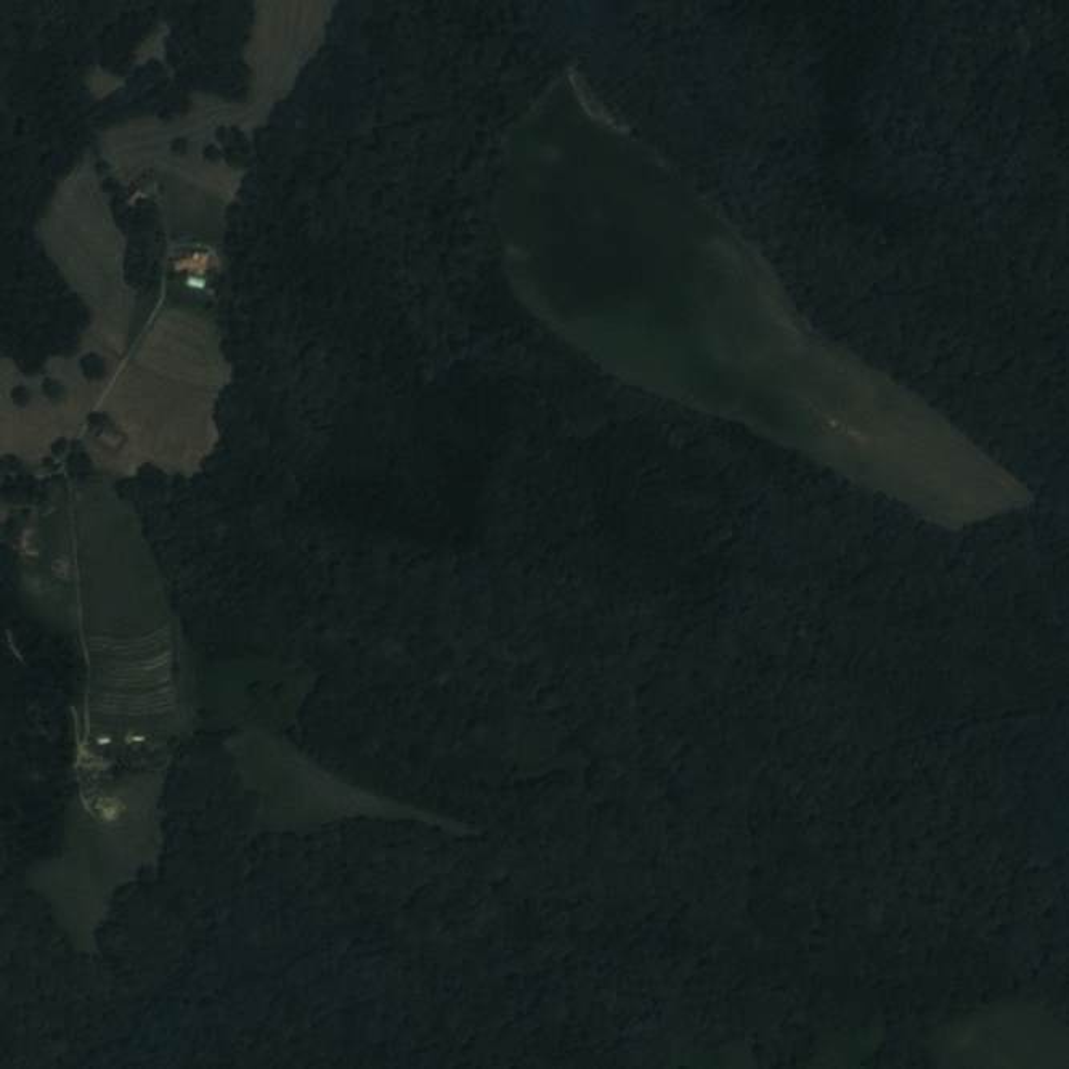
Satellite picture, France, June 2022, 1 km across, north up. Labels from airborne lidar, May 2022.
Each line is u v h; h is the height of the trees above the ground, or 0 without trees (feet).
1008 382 52
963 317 85
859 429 0
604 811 61
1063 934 80
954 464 0
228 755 27
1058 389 65
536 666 76
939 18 65
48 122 75
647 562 42
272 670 0
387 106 100
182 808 86
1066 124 43
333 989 81
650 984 85
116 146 0
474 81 83
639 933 80
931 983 45
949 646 21
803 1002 65
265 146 50
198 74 72
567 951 81
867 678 22
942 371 61
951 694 24
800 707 52
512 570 72
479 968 90
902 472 0
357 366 39
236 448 83
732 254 0
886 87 67
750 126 95
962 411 51
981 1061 0
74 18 93
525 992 32
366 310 58
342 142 94
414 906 66
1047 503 40
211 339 0
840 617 19
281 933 97
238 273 27
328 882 73
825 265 83
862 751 38
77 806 0
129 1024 50
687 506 53
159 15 52
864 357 35
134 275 53
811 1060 25
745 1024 63
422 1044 62
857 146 56
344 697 73
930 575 74
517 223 0
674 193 0
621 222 0
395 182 84
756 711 72
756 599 79
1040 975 76
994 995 40
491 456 67
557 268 0
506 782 46
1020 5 65
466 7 45
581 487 52
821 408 0
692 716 84
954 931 80
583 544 51
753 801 77
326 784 0
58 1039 81
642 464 60
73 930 0
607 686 92
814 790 58
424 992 77
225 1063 56
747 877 76
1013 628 29
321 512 49
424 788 68
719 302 0
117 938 86
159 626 0
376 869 76
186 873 98
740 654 64
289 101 37
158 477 64
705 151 66
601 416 78
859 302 77
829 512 60
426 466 75
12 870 70
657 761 88
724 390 0
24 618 32
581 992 82
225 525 63
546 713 30
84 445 30
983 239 83
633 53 82
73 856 0
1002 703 30
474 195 80
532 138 0
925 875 60
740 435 61
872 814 62
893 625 30
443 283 45
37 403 0
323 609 77
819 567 85
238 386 53
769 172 81
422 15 84
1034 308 104
